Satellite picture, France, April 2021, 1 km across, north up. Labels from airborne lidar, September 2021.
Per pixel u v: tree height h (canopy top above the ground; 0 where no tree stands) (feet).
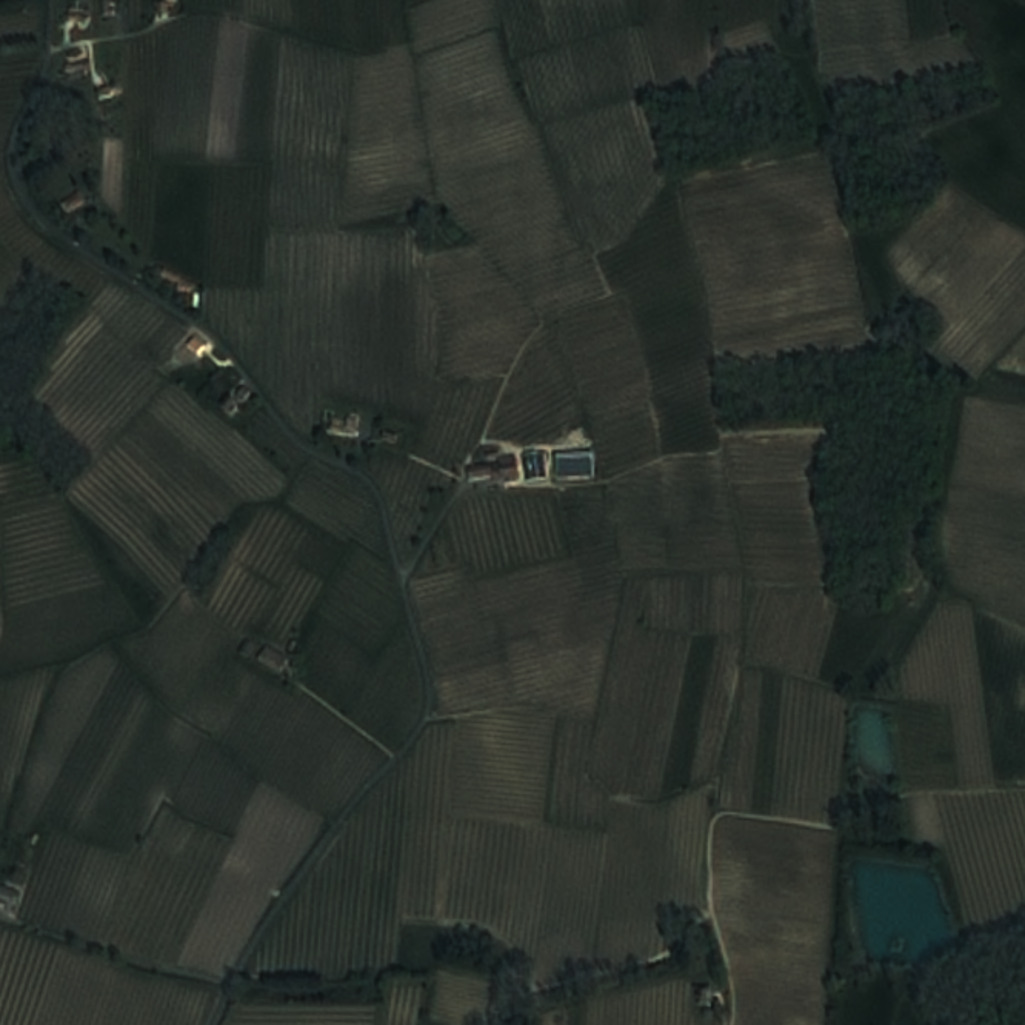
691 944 61
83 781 0
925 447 84
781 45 0
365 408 0
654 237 0
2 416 83
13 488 0
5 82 0
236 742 0
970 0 0
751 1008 0
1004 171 0
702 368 0
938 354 0
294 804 0
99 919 0
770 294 0
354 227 0
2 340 27
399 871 0
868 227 61
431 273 0
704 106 60
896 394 87
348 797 0
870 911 0
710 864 0
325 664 0
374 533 0
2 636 0
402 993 0
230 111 0
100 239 0
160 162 0
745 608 0
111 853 0
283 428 0
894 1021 0
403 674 0
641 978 70
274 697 0
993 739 0
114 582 0
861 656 0
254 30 0
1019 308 0
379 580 0
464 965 75
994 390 0
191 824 0
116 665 0
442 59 0
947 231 0
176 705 0
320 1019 0
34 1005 0
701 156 60
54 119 66
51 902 0
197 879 0
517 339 0
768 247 0
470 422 0
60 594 0
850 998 0
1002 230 0
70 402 0
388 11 0
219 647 0
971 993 82
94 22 0
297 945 0
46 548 0
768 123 62
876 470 76
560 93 0
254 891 0
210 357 30
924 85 53
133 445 0
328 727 0
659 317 0
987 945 71
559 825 0
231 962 0
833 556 54
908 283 0
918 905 0
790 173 0
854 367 72
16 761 0
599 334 0
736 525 0
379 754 0
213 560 56
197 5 0
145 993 0
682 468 0
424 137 0
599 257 0
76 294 42
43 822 0
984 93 42
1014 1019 79
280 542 0
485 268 0
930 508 65
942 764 0
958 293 0
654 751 0
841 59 0
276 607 0
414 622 0
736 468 0
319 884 0
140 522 0
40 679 0
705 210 0
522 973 71
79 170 0
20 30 0
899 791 37
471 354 0
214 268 0
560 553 0
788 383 71
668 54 0
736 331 0
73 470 66
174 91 0
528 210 0
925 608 0
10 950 0
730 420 54
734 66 68
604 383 0
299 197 0
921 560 52
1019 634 0
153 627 0
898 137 58
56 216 37
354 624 0
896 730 32
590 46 0
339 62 0
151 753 0
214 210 0
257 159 0
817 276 0
